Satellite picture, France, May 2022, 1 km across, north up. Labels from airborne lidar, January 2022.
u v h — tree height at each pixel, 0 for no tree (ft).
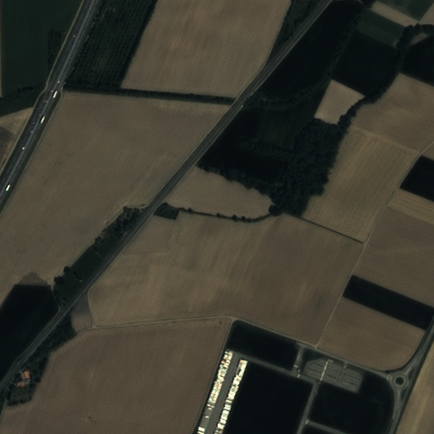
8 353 0
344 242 0
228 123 0
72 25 0
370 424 0
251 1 0
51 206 0
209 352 0
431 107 0
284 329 0
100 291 0
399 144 0
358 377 0
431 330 0
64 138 0
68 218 0
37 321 0
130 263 0
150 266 0
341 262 0
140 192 0
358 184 0
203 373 0
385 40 0
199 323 0
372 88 0
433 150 0
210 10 0
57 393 0
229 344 0
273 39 0
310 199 0
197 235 0
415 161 0
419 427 0
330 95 0
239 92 0
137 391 0
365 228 0
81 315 0
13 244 0
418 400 0
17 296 0
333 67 0
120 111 0
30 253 0
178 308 0
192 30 0
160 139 0
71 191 0
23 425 0
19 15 0
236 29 0
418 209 0
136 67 0
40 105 0
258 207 0
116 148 0
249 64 0
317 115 0
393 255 0
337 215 0
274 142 0
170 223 0
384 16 0
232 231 0
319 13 0
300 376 0
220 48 0
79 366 0
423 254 0
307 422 0
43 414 0
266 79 0
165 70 0
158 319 0
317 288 0
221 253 0
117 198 0
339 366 0
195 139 0
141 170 0
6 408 0
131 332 0
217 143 0
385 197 0
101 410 0
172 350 0
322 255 0
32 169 0
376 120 0
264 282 0
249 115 0
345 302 0
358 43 0
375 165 0
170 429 0
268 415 0
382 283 0
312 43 0
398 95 0
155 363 0
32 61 0
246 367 0
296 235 0
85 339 0
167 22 0
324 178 67
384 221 0
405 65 0
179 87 0
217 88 0
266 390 0
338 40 0
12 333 0
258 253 0
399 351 0
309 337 0
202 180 0
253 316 0
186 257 0
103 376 0
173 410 0
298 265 0
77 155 0
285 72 0
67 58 0
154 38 0
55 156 0
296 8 0
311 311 0
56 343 52
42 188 0
